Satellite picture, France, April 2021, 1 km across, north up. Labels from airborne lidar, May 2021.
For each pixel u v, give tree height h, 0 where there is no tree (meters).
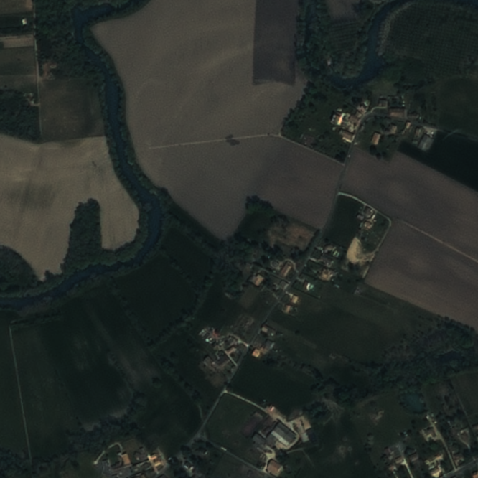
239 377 0
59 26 17
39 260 0
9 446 0
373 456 0
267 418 0
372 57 0
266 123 0
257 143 0
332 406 0
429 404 0
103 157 0
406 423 0
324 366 0
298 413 0
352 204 0
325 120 0
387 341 0
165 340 11
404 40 27
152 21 0
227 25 0
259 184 0
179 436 0
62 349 0
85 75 12
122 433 16
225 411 0
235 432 0
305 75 10
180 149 0
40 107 0
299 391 0
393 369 15
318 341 0
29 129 6
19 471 26
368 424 0
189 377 0
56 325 0
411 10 29
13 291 16
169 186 0
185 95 0
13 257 17
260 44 0
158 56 0
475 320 0
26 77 0
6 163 0
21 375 0
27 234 0
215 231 0
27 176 0
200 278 0
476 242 0
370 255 0
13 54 0
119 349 0
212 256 9
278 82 0
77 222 12
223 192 0
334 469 0
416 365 19
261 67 0
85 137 0
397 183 0
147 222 11
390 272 0
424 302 0
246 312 0
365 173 0
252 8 0
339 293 0
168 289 0
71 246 12
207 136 0
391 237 0
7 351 0
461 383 0
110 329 0
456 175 0
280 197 0
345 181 0
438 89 0
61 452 0
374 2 0
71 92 0
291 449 0
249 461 0
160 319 0
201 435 0
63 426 0
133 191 11
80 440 11
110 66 12
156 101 0
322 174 0
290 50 0
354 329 0
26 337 0
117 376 0
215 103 0
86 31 13
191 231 9
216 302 0
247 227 0
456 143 0
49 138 0
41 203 0
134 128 0
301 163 0
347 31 29
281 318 0
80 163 0
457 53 28
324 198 0
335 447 0
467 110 0
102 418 0
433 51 23
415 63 0
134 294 0
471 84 0
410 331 0
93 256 21
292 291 0
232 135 0
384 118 8
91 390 0
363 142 0
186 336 0
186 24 0
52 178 0
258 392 0
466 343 26
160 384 15
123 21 0
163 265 0
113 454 0
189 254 0
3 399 0
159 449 0
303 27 24
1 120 8
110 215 0
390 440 0
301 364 6
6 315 0
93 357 0
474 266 0
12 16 0
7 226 0
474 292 0
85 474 0
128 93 0
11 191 0
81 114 0
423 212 0
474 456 12
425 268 0
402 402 6
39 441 0
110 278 17
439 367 33
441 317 6
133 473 6
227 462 0
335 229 0
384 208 0
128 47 0
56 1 12
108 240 0
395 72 17
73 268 9
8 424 0
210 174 0
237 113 0
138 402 18
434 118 0
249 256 18
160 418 0
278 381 0
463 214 0
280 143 0
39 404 0
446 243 0
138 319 11
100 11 0
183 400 0
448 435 6
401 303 0
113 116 0
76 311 0
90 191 0
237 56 0
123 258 13
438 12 28
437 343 26
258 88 0
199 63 0
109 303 0
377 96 0
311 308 0
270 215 12
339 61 20
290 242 0
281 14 0
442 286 0
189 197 0
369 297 0
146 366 0
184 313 12
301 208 0
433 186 0
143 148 0
